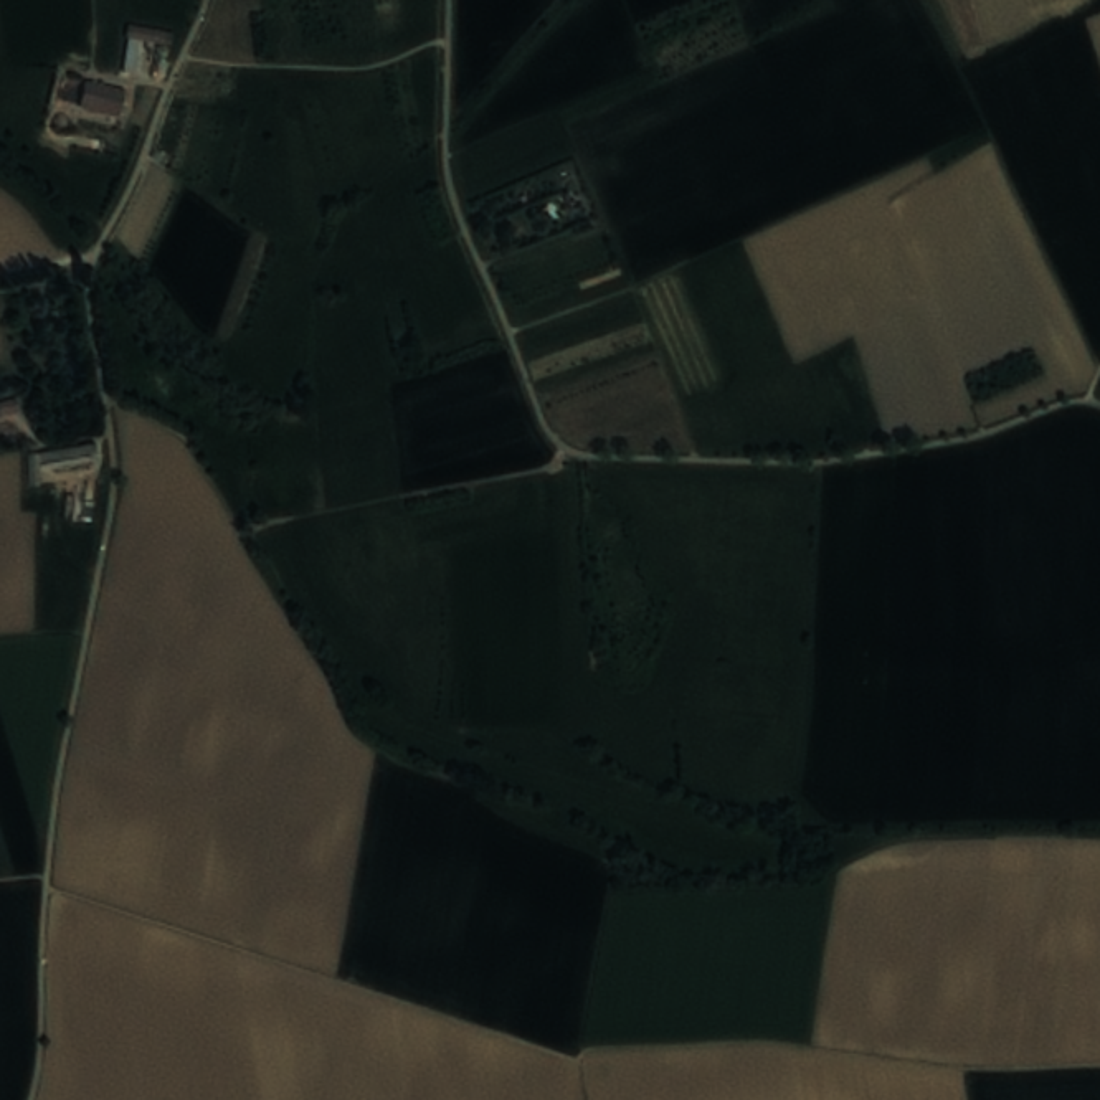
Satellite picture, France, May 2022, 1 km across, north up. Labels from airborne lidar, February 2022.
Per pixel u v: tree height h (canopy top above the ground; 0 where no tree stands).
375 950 0
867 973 0
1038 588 0
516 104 0
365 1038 0
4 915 0
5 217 0
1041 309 0
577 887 0
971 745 0
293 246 0
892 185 0
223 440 0
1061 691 0
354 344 0
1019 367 8
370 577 0
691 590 0
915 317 0
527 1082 0
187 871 0
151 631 0
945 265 0
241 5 0
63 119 0
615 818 0
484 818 0
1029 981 0
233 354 0
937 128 0
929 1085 0
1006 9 0
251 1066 0
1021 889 0
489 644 0
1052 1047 0
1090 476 0
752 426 0
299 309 0
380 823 0
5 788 0
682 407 0
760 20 0
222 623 0
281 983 0
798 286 0
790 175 0
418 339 11
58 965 0
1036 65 0
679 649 0
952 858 0
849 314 0
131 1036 0
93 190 0
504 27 0
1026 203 0
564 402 0
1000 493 0
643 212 0
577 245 0
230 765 0
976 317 0
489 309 0
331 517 0
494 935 0
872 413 0
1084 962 0
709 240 0
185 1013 0
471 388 0
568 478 0
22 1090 0
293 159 0
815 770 0
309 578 0
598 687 0
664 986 0
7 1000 0
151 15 0
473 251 0
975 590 0
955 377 0
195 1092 0
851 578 0
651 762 0
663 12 0
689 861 0
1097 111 0
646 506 0
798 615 0
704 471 0
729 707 0
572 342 0
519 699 0
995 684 0
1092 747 0
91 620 0
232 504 0
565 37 0
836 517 0
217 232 0
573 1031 0
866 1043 0
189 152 0
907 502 0
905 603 0
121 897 0
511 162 0
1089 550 0
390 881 0
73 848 0
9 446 17
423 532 0
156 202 0
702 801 13
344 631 0
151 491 0
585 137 0
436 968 0
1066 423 0
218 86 0
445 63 0
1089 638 0
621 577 0
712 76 0
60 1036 0
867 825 0
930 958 0
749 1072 0
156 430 0
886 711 0
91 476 0
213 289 0
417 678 0
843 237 0
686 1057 0
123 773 0
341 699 15
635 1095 0
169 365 20
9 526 0
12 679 0
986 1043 0
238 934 0
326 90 0
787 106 0
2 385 16
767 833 16
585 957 0
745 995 0
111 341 20
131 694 0
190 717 0
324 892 0
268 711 0
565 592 0
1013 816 0
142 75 0
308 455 0
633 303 0
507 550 0
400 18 0
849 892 0
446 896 0
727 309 0
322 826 0
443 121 0
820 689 0
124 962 0
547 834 0
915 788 0
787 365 0
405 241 0
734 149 0
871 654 0
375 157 0
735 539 0
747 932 0
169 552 0
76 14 0
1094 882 0
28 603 0
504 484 0
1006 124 0
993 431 0
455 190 0
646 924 0
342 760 0
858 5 0
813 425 0
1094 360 0
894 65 0
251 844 0
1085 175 0
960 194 0
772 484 0
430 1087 0
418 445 0
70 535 0
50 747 0
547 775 0
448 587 0
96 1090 0
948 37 0
